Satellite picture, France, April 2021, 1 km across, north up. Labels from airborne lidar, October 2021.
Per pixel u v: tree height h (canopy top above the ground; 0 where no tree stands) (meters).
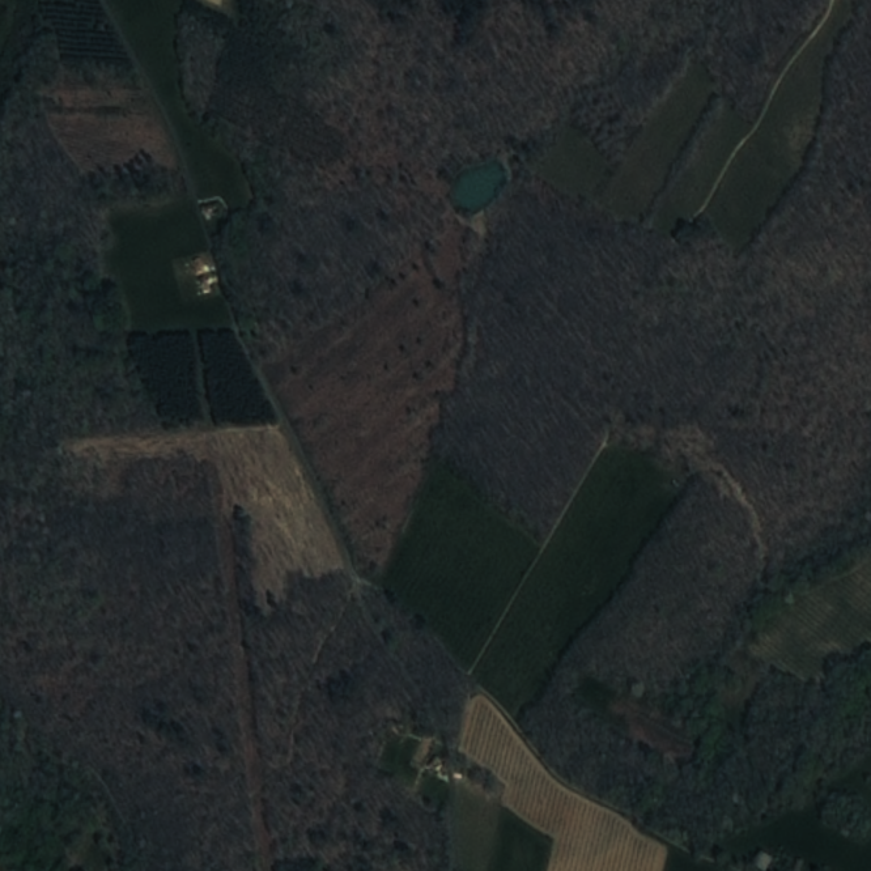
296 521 0
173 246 0
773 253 17
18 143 24
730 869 16
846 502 18
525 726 16
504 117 15
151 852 21
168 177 13
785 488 13
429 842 13
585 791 15
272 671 14
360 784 11
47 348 19
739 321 18
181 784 10
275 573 0
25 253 18
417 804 14
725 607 15
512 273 14
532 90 13
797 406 13
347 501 6
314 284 18
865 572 0
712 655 20
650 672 18
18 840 26
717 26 17
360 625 8
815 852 0
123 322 23
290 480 0
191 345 12
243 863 10
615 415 11
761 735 17
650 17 20
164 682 9
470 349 17
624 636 17
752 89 11
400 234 15
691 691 21
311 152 7
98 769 14
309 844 11
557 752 18
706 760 19
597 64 19
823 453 12
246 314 14
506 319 13
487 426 17
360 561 8
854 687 24
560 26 14
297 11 16
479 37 8
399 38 13
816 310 14
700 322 14
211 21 7
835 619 0
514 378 13
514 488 16
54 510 12
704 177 0
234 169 0
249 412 14
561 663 13
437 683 17
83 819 30
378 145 7
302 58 19
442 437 16
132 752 6
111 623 7
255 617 21
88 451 0
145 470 10
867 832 13
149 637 8
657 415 13
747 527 15
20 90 6
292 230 15
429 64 18
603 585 0
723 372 16
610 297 15
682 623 16
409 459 10
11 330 20
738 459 16
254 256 18
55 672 9
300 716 7
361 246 19
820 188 16
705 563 19
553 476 18
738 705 0
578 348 17
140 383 10
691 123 0
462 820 0
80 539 11
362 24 18
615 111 8
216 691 12
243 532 22
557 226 17
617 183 0
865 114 10
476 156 16
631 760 24
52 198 20
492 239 12
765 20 13
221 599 12
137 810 15
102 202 21
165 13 0
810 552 16
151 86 0
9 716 13
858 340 17
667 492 0
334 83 18
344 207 18
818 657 0
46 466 19
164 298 0
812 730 19
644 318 14
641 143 0
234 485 0
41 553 12
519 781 0
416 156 14
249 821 19
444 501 6
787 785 24
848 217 17
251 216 15
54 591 18
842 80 17
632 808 17
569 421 13
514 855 0
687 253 9
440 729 18
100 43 11
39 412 23
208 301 0
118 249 0
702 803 23
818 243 15
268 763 11
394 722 6
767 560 15
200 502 12
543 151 18
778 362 14
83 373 22
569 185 0
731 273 17
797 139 0
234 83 8
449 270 0
